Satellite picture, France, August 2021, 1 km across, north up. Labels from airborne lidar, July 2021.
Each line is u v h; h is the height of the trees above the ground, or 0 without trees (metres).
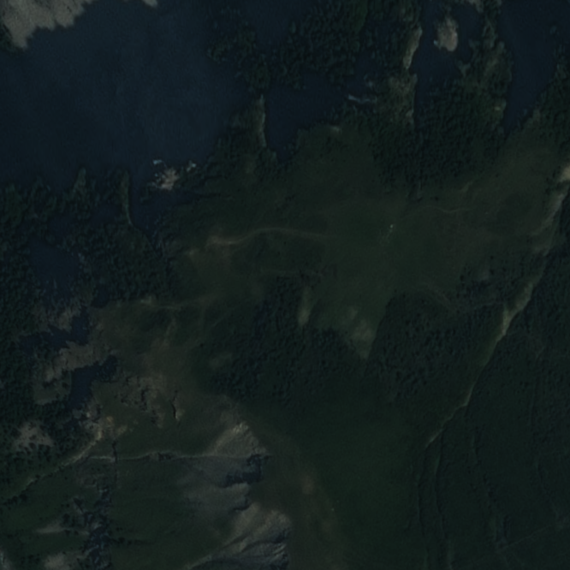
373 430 0
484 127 7
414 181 10
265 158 7
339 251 0
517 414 0
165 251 0
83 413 11
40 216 14
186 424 0
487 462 0
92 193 12
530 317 8
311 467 0
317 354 7
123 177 12
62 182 0
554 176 10
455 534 0
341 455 0
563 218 6
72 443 7
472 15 0
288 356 6
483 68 6
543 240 0
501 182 0
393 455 0
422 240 0
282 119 6
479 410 0
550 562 0
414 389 7
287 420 0
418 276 0
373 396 0
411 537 0
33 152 0
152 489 0
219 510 0
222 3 16
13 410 16
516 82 7
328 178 0
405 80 8
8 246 6
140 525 0
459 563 0
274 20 0
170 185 0
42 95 0
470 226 0
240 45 18
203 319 0
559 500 0
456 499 0
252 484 0
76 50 0
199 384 0
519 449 0
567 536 0
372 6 51
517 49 0
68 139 0
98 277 0
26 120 0
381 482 0
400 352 9
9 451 6
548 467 0
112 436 0
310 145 0
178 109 0
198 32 0
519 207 0
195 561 0
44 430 12
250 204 0
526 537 0
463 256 0
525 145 0
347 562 0
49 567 0
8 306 15
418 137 11
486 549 0
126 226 0
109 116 0
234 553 0
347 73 13
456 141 9
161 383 0
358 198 0
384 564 0
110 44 0
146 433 0
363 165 0
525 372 0
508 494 0
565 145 10
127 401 9
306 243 0
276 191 0
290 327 7
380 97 8
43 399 0
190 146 0
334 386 0
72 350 0
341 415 0
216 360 0
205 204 0
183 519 0
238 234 0
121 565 0
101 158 0
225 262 0
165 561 0
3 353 15
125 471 0
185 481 0
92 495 0
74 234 10
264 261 0
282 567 0
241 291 0
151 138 0
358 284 0
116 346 0
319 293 0
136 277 7
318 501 0
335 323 0
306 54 11
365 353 0
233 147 8
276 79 16
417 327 6
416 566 0
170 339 0
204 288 0
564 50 17
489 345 0
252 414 0
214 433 0
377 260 0
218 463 0
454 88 7
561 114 15
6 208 19
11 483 9
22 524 0
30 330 9
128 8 0
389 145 10
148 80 0
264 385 0
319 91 19
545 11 18
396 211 0
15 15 0
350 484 0
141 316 0
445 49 0
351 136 0
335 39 15
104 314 0
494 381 0
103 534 0
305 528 0
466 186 0
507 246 0
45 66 0
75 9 0
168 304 0
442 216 0
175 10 0
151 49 0
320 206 0
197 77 0
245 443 0
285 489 0
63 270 12
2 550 0
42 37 0
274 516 0
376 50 14
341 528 0
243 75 21
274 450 0
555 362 0
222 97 0
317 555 0
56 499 0
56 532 0
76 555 0
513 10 8
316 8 16
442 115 10
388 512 0
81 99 0
